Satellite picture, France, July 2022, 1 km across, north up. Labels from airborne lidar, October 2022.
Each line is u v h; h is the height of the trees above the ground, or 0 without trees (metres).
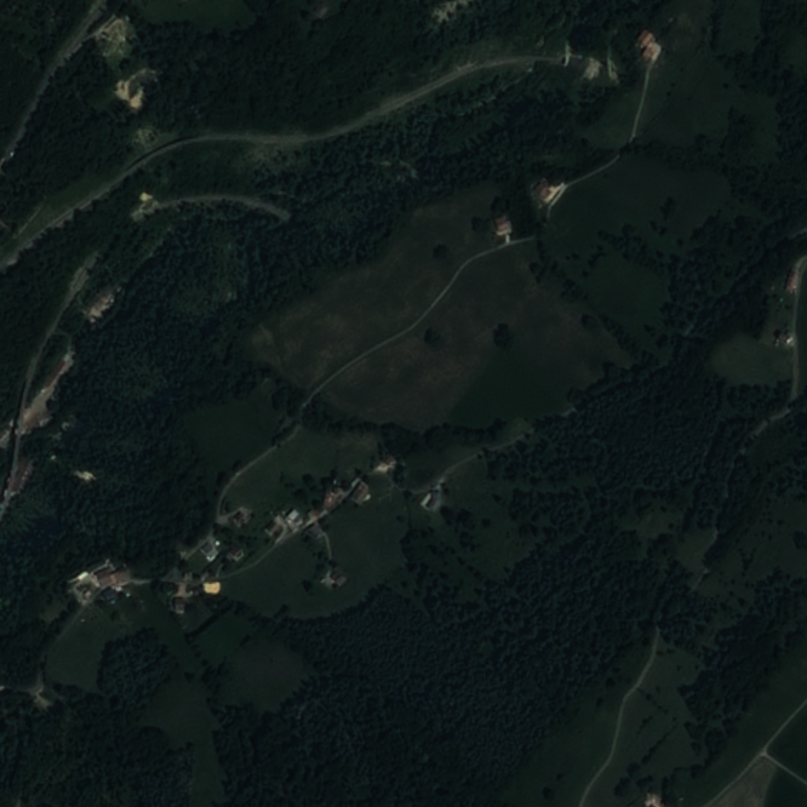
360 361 0
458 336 0
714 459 20
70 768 25
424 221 0
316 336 0
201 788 0
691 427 19
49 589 20
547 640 25
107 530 34
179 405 26
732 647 25
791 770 0
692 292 18
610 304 0
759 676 22
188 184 6
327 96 12
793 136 10
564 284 6
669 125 0
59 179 24
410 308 0
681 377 26
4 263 0
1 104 29
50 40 9
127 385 14
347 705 22
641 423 26
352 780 22
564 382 0
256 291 18
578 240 0
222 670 9
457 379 0
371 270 0
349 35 6
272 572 0
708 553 0
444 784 23
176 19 0
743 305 30
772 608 16
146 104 9
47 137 29
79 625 0
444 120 20
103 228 9
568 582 11
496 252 0
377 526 0
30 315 20
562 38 0
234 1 0
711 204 0
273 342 0
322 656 25
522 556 0
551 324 0
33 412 0
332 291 0
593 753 0
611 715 0
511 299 0
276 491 0
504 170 26
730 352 0
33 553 21
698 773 16
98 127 29
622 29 0
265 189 27
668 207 6
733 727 17
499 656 16
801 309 0
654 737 0
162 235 8
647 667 0
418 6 19
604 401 18
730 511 15
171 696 0
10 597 32
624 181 0
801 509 0
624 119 0
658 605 9
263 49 14
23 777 26
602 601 22
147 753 25
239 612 20
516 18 26
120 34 0
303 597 0
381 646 19
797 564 0
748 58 10
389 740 28
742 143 15
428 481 0
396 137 6
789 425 10
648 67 0
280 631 26
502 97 23
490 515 0
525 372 0
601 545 24
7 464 15
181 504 17
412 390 0
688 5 0
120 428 26
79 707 26
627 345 18
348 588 0
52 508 9
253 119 16
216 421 0
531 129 24
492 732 33
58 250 29
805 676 0
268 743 25
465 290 0
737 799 0
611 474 11
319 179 15
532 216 8
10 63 30
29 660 21
